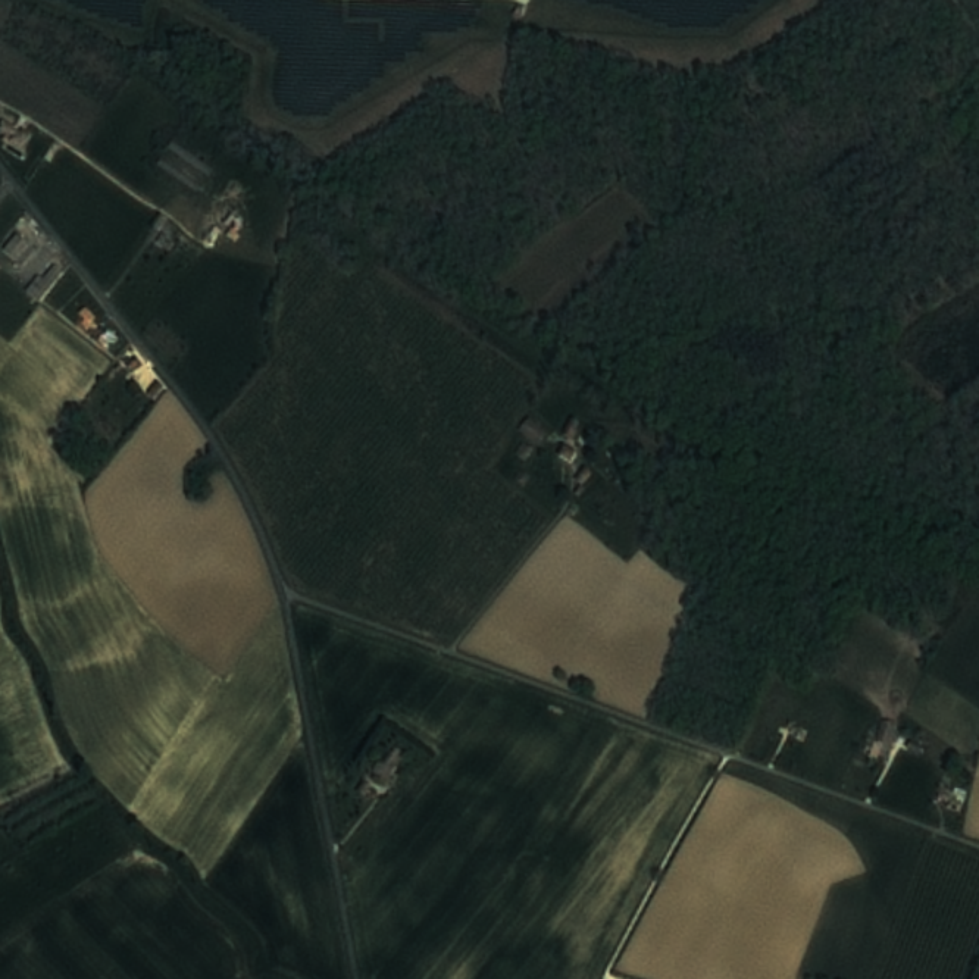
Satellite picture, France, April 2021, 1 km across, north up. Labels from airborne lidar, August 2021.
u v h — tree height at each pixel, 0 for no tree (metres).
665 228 14
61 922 0
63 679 0
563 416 0
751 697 16
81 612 0
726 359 21
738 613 22
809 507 18
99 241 0
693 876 0
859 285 21
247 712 0
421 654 0
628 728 0
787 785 0
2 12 0
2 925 0
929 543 29
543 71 18
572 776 0
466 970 0
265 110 0
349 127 0
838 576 19
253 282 0
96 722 0
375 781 8
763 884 0
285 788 0
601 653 0
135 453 0
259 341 0
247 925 0
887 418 21
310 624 0
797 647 22
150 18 0
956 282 17
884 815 0
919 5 16
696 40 0
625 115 16
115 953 0
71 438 21
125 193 0
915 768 0
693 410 25
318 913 0
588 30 0
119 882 0
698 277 19
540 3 0
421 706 0
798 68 9
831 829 0
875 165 10
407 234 15
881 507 29
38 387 0
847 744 0
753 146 18
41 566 0
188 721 0
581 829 0
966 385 16
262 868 0
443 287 19
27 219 0
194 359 0
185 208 0
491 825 0
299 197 17
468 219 16
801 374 18
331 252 12
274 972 0
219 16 0
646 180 16
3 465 0
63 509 0
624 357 24
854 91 13
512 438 0
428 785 0
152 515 0
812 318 17
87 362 0
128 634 0
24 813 17
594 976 0
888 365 22
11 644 0
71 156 0
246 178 0
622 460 21
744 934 0
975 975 15
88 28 6
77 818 12
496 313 7
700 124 21
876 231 10
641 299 16
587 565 0
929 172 7
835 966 0
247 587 0
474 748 0
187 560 0
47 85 0
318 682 0
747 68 16
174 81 11
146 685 0
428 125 20
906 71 18
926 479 17
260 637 0
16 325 0
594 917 0
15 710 0
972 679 0
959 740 0
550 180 15
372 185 21
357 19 0
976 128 17
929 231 16
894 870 0
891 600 23
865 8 13
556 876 0
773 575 18
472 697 0
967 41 18
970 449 20
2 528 0
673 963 0
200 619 0
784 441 23
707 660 17
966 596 0
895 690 0
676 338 20
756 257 18
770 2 0
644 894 0
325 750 0
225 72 13
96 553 0
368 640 0
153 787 0
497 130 18
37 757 0
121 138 0
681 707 14
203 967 0
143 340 0
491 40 0
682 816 0
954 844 0
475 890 0
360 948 0
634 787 0
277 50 0
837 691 0
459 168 17
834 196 17
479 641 0
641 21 0
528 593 0
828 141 11
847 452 21
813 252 15
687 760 0
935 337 7
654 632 0
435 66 0
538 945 0
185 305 0
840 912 0
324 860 0
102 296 0
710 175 19
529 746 0
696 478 25
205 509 0
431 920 0
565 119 19
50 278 0
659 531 18
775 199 15
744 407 19
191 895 0
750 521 24
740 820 0
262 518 0
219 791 0
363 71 0
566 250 0
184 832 0
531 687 0
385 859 0
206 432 0
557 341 17
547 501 0
